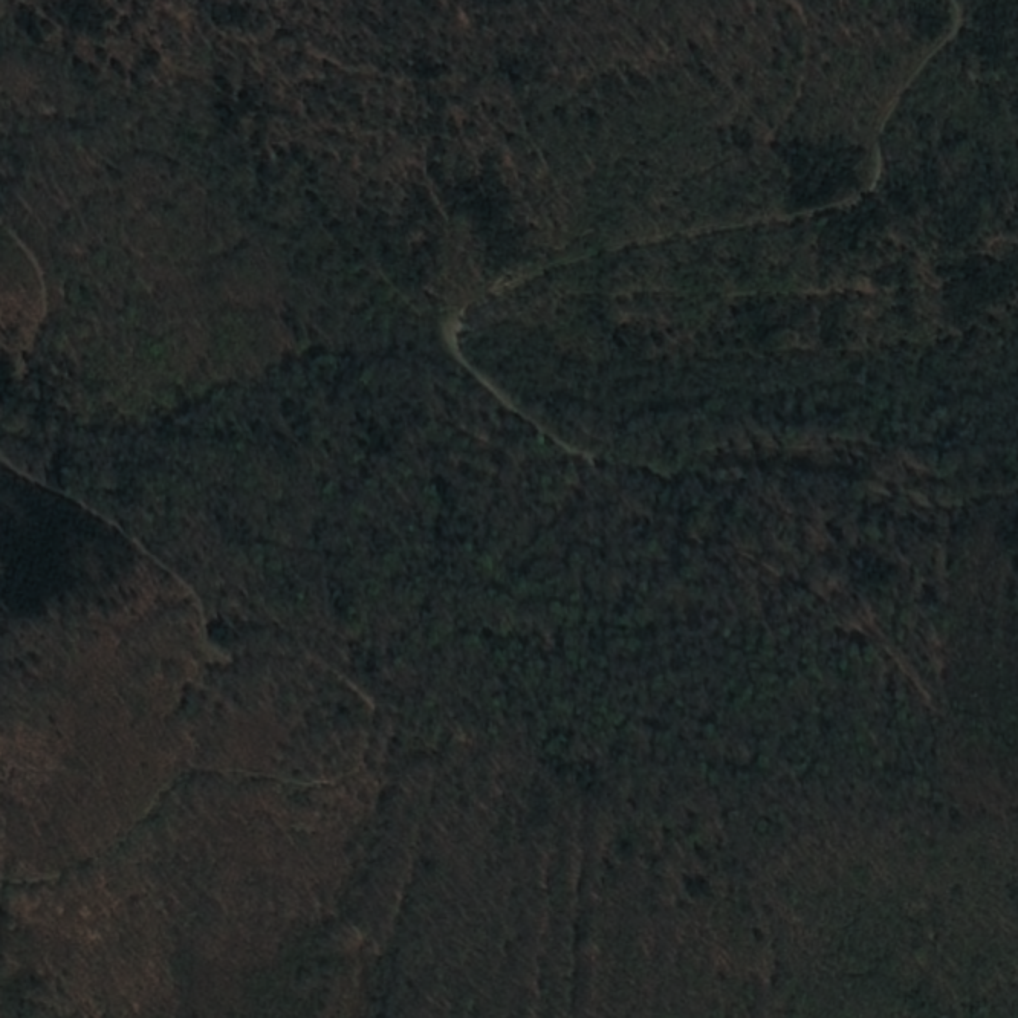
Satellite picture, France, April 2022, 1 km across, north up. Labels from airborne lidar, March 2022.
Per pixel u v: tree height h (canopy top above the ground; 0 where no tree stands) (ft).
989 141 76
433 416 101
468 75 73
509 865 69
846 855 74
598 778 96
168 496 76
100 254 89
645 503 100
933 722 102
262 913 45
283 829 45
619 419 76
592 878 81
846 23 89
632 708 107
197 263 81
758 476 99
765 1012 74
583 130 84
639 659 78
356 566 98
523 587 99
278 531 82
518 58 71
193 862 66
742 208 77
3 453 77
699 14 86
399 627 79
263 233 79
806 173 60
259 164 63
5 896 30
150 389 78
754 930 57
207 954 68
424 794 84
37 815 59
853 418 71
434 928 82
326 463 94
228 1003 50
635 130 81
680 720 109
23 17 60
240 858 47
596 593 107
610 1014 83
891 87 93
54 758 52
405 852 79
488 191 78
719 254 74
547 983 73
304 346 54
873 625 114
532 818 65
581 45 82
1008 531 67
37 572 56
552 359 72
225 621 75
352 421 94
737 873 75
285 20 80
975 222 84
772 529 107
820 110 73
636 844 77
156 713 51
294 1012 41
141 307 74
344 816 37
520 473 107
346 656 69
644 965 82
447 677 107
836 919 77
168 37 102
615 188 70
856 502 94
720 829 61
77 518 52
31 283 45
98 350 74
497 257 78
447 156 87
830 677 118
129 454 79
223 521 80
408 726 78
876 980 73
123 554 50
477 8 67
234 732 50
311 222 73
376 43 76
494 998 66
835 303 63
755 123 60
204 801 75
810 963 72
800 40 84
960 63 81
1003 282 75
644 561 81
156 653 63
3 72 76
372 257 82
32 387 75
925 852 79
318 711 31
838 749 106
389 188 76
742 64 68
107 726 52
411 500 96
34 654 35
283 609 95
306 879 56
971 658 57
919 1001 75
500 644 108
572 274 66
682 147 51
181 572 58
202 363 72
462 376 49
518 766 86
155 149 64
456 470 98
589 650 111
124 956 59
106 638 44
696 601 116
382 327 76
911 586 113
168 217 86
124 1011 47
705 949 71
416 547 104
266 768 37
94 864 44
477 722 84
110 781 54
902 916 81
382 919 86
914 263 83
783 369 77
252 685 71
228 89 68
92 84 55
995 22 35
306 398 94
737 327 74
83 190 85
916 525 57
